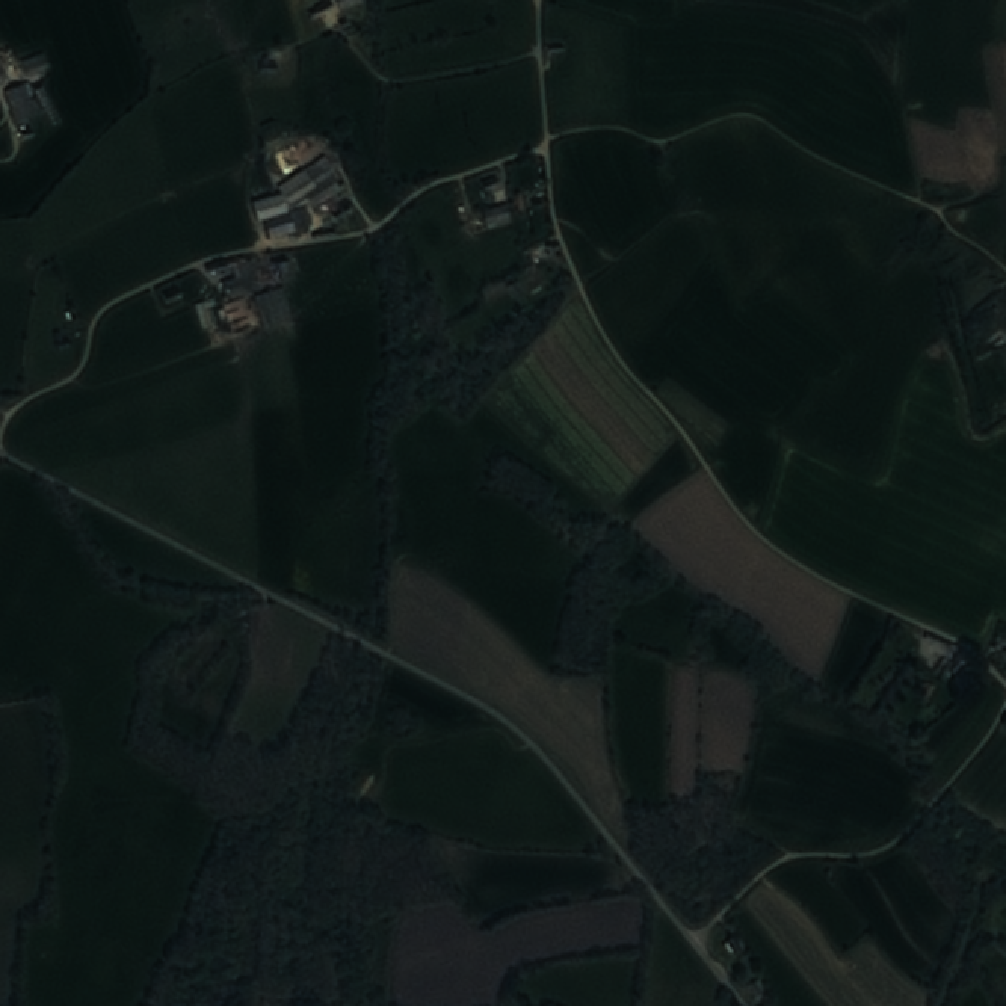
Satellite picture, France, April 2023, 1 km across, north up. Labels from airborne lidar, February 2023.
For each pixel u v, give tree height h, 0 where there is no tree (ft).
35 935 0
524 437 0
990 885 24
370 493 0
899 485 0
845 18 0
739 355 0
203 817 0
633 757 0
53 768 36
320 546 0
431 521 0
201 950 42
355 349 0
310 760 41
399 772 0
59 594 0
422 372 35
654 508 0
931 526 0
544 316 28
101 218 0
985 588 0
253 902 22
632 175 0
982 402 0
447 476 0
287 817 44
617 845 0
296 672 0
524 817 0
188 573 0
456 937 0
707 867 40
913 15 0
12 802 0
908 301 0
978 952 44
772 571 0
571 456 0
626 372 0
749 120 0
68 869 0
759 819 0
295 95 0
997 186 0
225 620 50
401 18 0
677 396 0
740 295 0
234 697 36
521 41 0
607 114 0
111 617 0
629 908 0
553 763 0
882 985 0
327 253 0
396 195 23
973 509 0
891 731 54
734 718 0
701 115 0
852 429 0
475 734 0
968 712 0
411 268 0
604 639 37
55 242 0
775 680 33
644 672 0
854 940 0
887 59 0
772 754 0
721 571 0
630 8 0
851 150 0
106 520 0
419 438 0
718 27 0
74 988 0
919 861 20
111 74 0
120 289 0
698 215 0
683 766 0
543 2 0
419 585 0
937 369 0
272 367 0
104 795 0
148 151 0
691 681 0
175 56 0
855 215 0
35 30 0
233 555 0
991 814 0
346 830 43
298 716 46
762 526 0
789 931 0
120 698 0
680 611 0
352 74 0
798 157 0
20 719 0
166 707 0
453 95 0
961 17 0
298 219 0
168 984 46
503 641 0
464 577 0
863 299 0
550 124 0
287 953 32
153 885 0
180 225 0
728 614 22
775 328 0
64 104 0
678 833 56
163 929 0
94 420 0
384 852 41
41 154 0
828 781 0
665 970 0
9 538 0
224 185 0
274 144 0
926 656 0
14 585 0
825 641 0
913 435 0
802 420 0
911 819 0
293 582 0
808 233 0
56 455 0
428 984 0
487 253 0
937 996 21
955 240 0
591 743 0
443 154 0
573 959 30
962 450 0
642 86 0
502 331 56
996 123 0
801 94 0
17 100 0
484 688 0
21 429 0
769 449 0
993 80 0
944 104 0
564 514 23
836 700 28
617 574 31
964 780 0
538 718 0
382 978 0
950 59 0
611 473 0
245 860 44
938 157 0
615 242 0
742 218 0
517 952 0
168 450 0
